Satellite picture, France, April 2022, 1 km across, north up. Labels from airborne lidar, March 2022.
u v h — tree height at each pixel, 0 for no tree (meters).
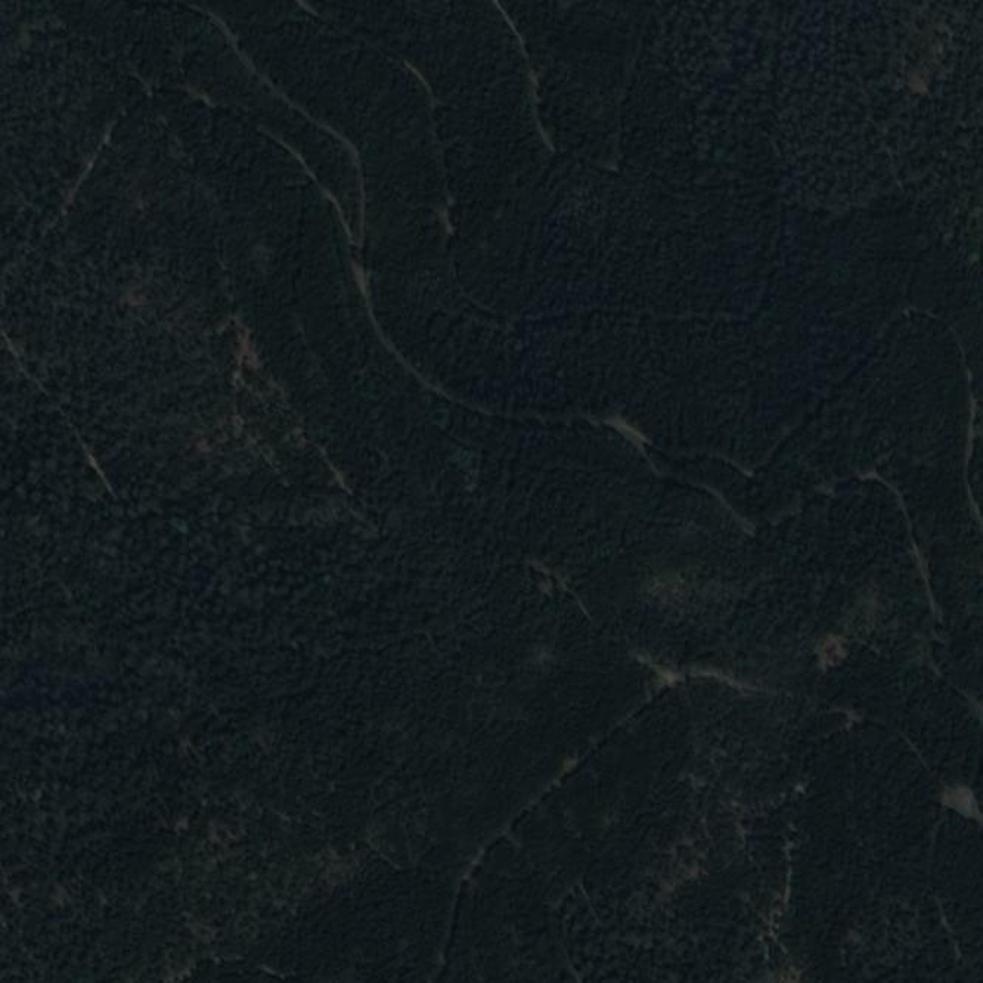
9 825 9
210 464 5
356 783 13
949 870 12
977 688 18
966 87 26
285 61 23
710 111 36
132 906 19
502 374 14
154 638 11
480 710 19
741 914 11
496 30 21
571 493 19
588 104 24
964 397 18
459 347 18
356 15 22
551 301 21
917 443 15
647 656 13
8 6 23
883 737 21
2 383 7
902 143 26
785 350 11
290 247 14
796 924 15
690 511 16
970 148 29
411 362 21
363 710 21
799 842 23
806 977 8
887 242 22
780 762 7
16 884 13
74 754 20
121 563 18
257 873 10
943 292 21
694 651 15
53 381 7
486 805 13
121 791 19
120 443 16
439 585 23
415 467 19
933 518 15
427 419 14
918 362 21
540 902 22
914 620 15
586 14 31
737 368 15
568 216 24
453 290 24
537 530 22
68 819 13
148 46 18
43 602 7
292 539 14
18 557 7
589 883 15
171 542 14
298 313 18
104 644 15
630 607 18
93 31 14
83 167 9
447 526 18
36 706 9
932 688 20
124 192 11
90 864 16
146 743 21
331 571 16
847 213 19
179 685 18
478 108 25
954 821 16
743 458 18
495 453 21
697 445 20
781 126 11
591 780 14
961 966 7
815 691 8
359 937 18
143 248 6
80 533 18
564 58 22
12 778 9
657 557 19
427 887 18
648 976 21
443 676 18
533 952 25
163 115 14
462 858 18
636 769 13
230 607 24
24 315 21
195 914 6
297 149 19
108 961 8
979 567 6
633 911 19
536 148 29
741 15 25
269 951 11
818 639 6
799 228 18
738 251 20
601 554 20
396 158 13
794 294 17
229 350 8
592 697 16
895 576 18
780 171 29
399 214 18
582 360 21
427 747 19
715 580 15
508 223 19
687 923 19
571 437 14
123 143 11
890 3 16
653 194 23
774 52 23
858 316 13
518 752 17
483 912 21
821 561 14
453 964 22
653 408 15
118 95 11
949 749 18
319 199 19
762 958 26
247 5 17
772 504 15
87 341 9
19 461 20
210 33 12
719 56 14
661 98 18
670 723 11
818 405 20
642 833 17
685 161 19
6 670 15
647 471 18
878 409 13
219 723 22
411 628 23
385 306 18
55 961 7
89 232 9
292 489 10
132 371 25
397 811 13
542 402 24
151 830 14
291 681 26
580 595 18
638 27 18
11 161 7
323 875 10
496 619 19
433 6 19
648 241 24
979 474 16
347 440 19
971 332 14
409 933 20
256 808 7
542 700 15
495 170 21
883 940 14
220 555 23
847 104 30
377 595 9
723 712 6
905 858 15
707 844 9
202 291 8
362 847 11
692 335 17
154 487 26
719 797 8
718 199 15
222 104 19
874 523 12
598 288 22
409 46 17
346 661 22
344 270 11
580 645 18
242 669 15
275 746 23
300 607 23
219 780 10
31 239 35
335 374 19
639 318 21
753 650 10
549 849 11
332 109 16
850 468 13
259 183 22
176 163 15
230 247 12
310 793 6
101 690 12
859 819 10
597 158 21
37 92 29
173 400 11
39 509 7
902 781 17
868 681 17
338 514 17
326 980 17
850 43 28
